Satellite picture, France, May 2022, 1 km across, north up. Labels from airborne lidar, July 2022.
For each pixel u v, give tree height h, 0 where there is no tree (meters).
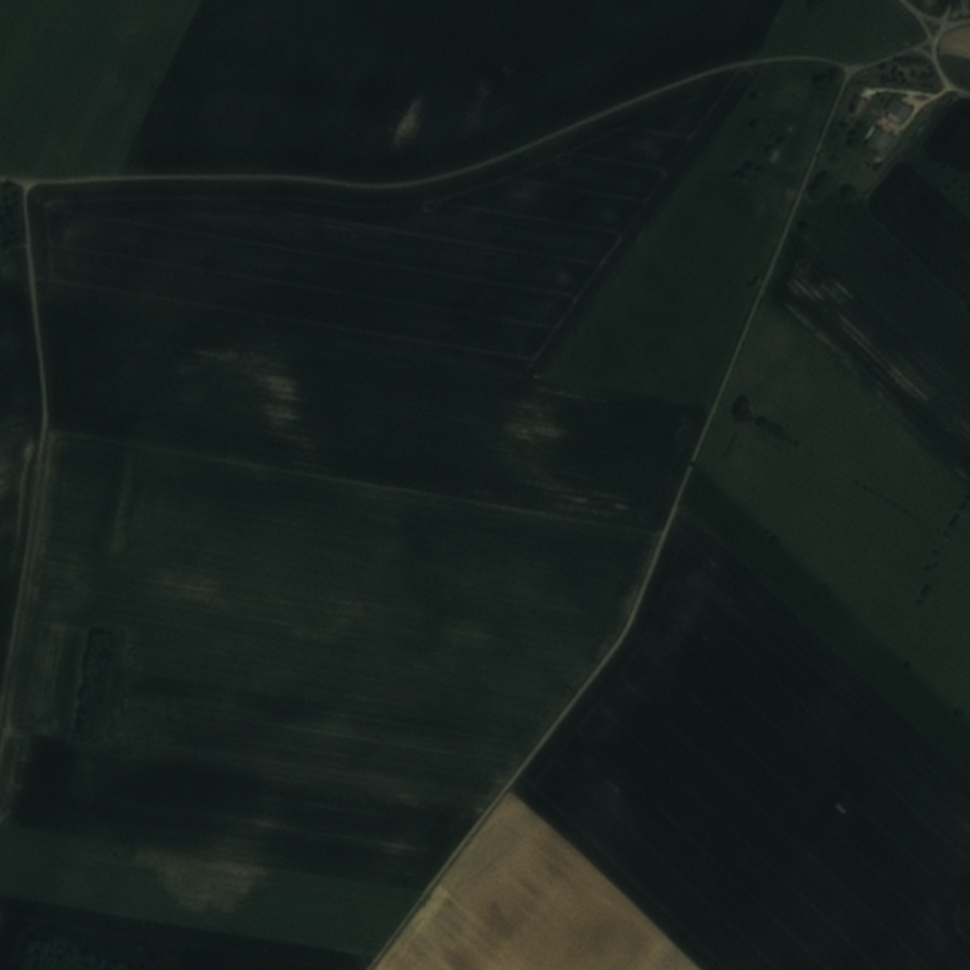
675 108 0
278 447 0
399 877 0
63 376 0
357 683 0
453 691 0
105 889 0
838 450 0
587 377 0
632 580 0
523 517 0
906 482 0
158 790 0
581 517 0
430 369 0
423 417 0
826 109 0
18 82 0
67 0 0
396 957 0
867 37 0
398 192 0
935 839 0
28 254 0
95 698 14
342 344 0
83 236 0
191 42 0
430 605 0
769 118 0
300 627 0
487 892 0
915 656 0
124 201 0
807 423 0
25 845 0
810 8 10
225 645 0
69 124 0
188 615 0
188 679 0
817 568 0
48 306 0
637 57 0
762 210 0
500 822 0
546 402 0
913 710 0
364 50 0
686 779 0
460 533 0
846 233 0
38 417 0
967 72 0
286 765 0
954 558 0
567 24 0
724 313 0
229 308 0
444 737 0
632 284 0
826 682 0
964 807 0
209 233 0
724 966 0
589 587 0
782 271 0
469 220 0
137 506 0
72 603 0
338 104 0
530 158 0
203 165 0
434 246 0
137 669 0
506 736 0
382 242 0
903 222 0
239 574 0
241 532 0
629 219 0
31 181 0
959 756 0
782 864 0
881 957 0
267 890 0
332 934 0
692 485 0
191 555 0
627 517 0
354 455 0
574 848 0
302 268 0
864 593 0
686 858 0
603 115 0
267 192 0
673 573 0
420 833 0
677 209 0
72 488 0
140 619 0
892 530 0
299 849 0
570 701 0
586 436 0
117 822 0
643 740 0
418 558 0
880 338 0
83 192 0
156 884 0
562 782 0
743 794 0
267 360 0
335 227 0
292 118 0
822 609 0
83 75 0
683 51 0
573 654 0
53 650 0
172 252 0
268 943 0
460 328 0
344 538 0
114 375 0
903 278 0
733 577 0
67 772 0
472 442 0
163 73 0
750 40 0
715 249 0
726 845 0
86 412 0
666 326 0
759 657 0
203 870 0
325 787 0
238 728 0
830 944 0
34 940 16
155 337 0
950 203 0
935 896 0
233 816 0
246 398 0
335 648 0
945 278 0
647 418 0
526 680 0
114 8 0
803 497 0
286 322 0
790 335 0
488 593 0
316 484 0
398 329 0
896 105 0
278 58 0
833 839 0
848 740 0
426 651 0
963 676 0
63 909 0
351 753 0
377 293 0
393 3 0
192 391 0
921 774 0
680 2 0
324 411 0
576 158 0
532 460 0
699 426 0
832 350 0
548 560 0
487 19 0
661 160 0
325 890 0
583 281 0
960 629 0
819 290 0
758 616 0
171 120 0
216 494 0
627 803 0
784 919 0
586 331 0
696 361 0
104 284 0
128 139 0
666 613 0
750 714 0
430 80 0
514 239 0
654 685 0
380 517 0
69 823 0
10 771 0
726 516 0
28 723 0
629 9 0
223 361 0
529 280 0
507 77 0
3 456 0
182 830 0
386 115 0
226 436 0
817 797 0
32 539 0
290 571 0
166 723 0
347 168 0
